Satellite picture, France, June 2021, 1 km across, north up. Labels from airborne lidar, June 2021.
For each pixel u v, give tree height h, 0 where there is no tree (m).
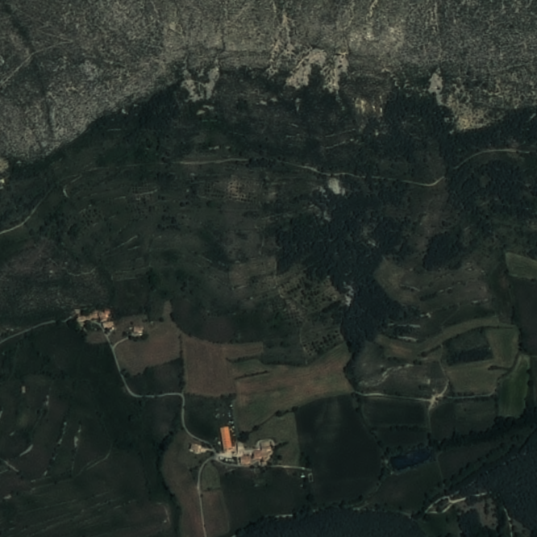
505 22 0
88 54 0
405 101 9
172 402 0
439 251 12
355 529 7
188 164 0
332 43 0
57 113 0
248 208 0
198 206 0
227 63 0
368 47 0
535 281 8
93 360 0
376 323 8
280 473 0
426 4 0
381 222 10
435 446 13
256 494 0
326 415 0
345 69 0
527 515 12
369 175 10
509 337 0
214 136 0
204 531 0
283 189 0
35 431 0
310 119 0
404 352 0
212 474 0
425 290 0
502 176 11
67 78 0
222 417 0
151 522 0
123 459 0
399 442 0
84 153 0
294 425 0
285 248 12
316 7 0
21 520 0
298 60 0
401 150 7
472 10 0
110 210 0
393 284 0
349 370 11
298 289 7
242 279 0
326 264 8
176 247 0
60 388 0
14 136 0
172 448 0
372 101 0
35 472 0
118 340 0
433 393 0
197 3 0
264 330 0
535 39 0
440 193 0
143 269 0
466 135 8
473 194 10
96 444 0
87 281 0
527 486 10
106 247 0
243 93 0
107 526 0
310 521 14
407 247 6
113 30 0
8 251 0
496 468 10
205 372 0
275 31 0
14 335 0
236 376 0
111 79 0
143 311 10
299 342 0
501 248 6
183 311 0
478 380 0
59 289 0
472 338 0
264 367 0
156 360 0
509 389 0
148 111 9
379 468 0
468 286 0
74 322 14
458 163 10
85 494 0
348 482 0
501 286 0
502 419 15
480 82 7
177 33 0
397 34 0
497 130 10
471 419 0
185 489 0
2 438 0
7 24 0
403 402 0
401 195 8
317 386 0
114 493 0
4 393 0
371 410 0
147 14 0
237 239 0
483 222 8
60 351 0
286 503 0
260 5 0
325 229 11
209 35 0
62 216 6
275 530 10
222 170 0
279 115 0
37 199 9
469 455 0
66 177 0
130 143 6
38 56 0
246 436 18
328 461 0
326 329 0
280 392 0
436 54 0
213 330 0
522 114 9
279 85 0
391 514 12
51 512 0
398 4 0
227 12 0
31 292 0
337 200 11
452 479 10
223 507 0
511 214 7
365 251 12
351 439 0
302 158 0
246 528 10
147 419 0
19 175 6
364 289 12
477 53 0
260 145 7
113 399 0
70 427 0
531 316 0
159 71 0
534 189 8
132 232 0
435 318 0
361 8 0
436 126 8
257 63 0
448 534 8
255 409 0
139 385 0
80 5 0
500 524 10
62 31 0
